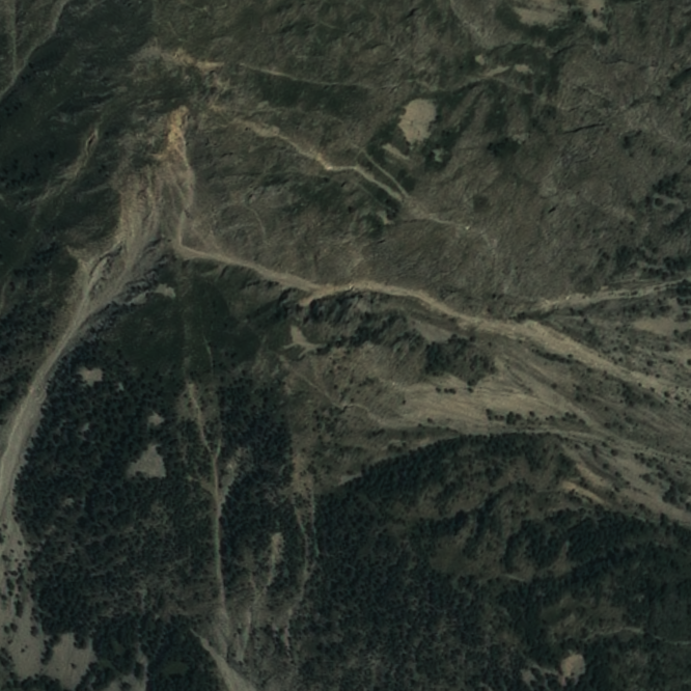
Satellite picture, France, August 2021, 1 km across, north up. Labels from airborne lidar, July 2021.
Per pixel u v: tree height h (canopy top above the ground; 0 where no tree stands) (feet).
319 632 67
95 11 0
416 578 35
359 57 0
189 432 24
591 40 0
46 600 55
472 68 0
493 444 34
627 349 21
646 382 0
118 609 31
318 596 26
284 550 23
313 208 0
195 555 48
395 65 0
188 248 0
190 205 0
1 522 0
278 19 0
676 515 0
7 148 0
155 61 0
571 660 0
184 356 0
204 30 0
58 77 0
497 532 39
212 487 0
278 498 24
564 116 0
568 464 32
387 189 0
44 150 0
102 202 0
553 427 0
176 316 0
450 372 0
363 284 0
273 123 0
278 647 22
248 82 0
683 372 0
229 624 0
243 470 37
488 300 0
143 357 0
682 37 0
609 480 0
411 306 0
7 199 0
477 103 0
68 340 0
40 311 25
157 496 39
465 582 70
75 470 26
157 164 0
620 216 0
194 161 0
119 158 0
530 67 0
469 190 0
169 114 0
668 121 0
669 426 0
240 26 0
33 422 0
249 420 59
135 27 0
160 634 57
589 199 0
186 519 35
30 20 0
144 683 0
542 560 41
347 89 0
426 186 0
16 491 24
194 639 58
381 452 0
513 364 0
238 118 0
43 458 58
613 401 0
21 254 0
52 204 0
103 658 83
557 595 40
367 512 30
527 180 0
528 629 50
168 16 0
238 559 48
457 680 37
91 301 0
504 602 49
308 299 0
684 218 28
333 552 62
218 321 0
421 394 0
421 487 32
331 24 0
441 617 30
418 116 0
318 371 0
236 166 0
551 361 24
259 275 0
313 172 0
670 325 0
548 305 0
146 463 0
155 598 36
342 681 49
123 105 0
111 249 0
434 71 0
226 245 0
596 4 0
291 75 0
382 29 0
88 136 0
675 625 29
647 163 0
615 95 0
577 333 0
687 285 19
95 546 57
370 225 0
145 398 41
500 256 0
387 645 40
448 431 29
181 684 120
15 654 0
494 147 37
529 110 0
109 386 38
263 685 30
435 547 26
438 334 0
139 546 41
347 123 0
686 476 0
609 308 0
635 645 46
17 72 0
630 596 64
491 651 33
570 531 37
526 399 0
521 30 0
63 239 0
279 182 0
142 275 0
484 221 0
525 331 0
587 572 44
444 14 0
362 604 64
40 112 0
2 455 0
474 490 31
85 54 0
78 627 44
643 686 28
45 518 71
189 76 0
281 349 0
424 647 43
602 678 58
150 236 0
